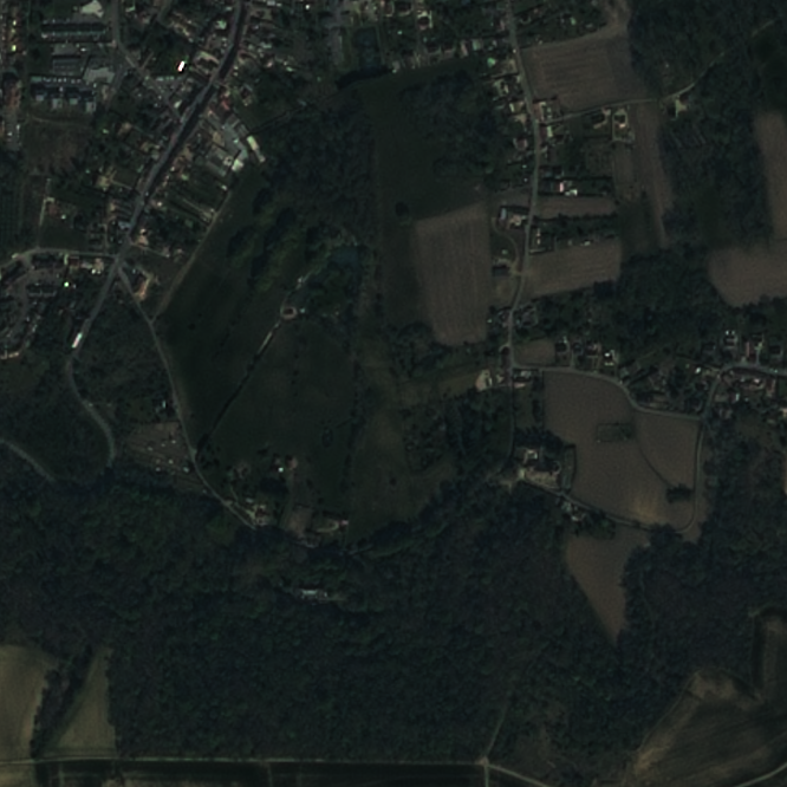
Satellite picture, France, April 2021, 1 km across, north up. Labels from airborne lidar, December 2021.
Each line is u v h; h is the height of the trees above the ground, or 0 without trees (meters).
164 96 0
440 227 0
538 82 0
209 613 29
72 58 0
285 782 0
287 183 32
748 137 36
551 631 23
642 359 0
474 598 26
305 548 22
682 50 38
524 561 19
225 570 26
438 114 14
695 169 37
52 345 11
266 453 7
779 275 0
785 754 0
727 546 8
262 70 7
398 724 24
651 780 0
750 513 16
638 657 25
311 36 11
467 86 27
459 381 0
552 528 16
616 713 22
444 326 0
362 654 22
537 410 16
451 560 24
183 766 0
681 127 0
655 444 0
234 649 21
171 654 26
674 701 7
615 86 0
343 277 8
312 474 0
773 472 20
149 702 19
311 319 12
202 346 0
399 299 0
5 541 20
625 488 0
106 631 20
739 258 0
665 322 17
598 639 19
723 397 0
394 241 0
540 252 0
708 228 0
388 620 22
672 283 10
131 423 8
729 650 21
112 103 0
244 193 0
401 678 30
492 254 0
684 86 0
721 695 0
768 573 21
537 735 11
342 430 0
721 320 19
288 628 23
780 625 0
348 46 0
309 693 18
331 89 0
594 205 0
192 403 0
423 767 0
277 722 21
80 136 0
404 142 0
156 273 0
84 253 0
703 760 0
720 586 25
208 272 0
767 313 8
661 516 0
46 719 19
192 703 24
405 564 15
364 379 18
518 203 0
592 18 5
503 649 32
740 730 0
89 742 0
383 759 16
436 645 22
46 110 0
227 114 0
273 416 0
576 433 0
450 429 17
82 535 31
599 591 0
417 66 0
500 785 0
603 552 0
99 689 0
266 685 25
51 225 0
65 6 0
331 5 0
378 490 0
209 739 21
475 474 7
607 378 0
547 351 0
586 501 0
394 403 0
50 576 27
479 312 0
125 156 13
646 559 17
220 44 0
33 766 0
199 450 10
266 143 11
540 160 0
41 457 9
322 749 18
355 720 22
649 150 0
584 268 0
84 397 13
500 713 16
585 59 0
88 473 22
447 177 12
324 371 0
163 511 32
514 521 26
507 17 0
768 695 0
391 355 14
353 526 0
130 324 12
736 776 0
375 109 0
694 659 9
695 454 0
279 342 0
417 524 10
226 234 0
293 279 0
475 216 0
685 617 28
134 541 23
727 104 16
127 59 0
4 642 14
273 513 0
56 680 20
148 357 9
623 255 0
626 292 15
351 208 33
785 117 0
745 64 41
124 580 28
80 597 27
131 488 28
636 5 16
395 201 0
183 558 31
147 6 7
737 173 8
